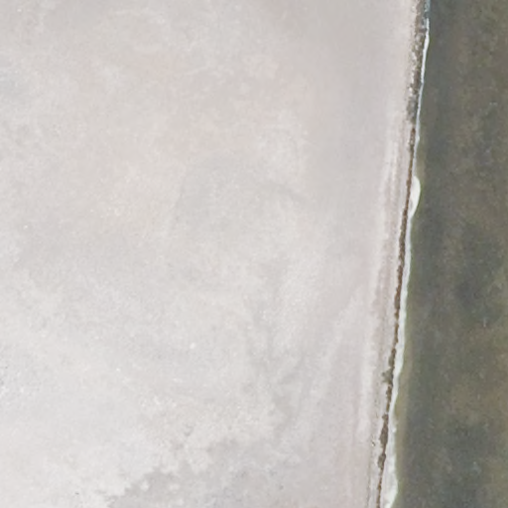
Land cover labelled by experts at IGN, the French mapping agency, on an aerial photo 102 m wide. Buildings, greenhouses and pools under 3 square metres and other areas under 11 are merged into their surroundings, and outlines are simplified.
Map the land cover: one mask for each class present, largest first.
<instances>
[{"label":"pervious surface","instance_id":"1","mask_svg":"<svg viewBox=\"0 0 508 508\"><path fill-rule=\"evenodd\" d=\"M419 0H0V508H375L381 427L387 393L383 373L389 367V353L393 341L399 236L409 167L411 119L407 115V105L413 97L417 65L413 36ZM421 194L419 177L413 179L409 222L405 224V270L399 312V343L393 371V395L389 403V411L393 415H389L381 508H393L399 486L395 470V405L399 397V375L403 369L405 355L407 294L411 278V232Z\"/></svg>","mask_w":508,"mask_h":508},{"label":"water","instance_id":"2","mask_svg":"<svg viewBox=\"0 0 508 508\"><path fill-rule=\"evenodd\" d=\"M431 42L427 52L421 143L417 159L419 177L421 194L411 232V278L407 294L405 355L403 369L399 375V397L395 405V470L399 486L393 508H508V0H431Z\"/></svg>","mask_w":508,"mask_h":508},{"label":"brushwood","instance_id":"3","mask_svg":"<svg viewBox=\"0 0 508 508\"><path fill-rule=\"evenodd\" d=\"M431 0H419L413 36L417 65L413 97L407 105V115L411 119L409 167L399 236L393 341L389 353V367L383 373L387 393L381 427L375 508H381L389 415H393L389 411V403L393 395V371L399 343V312L405 270V224L409 222L413 179L419 177L417 159L421 143L427 52L431 42Z\"/></svg>","mask_w":508,"mask_h":508}]
</instances>
